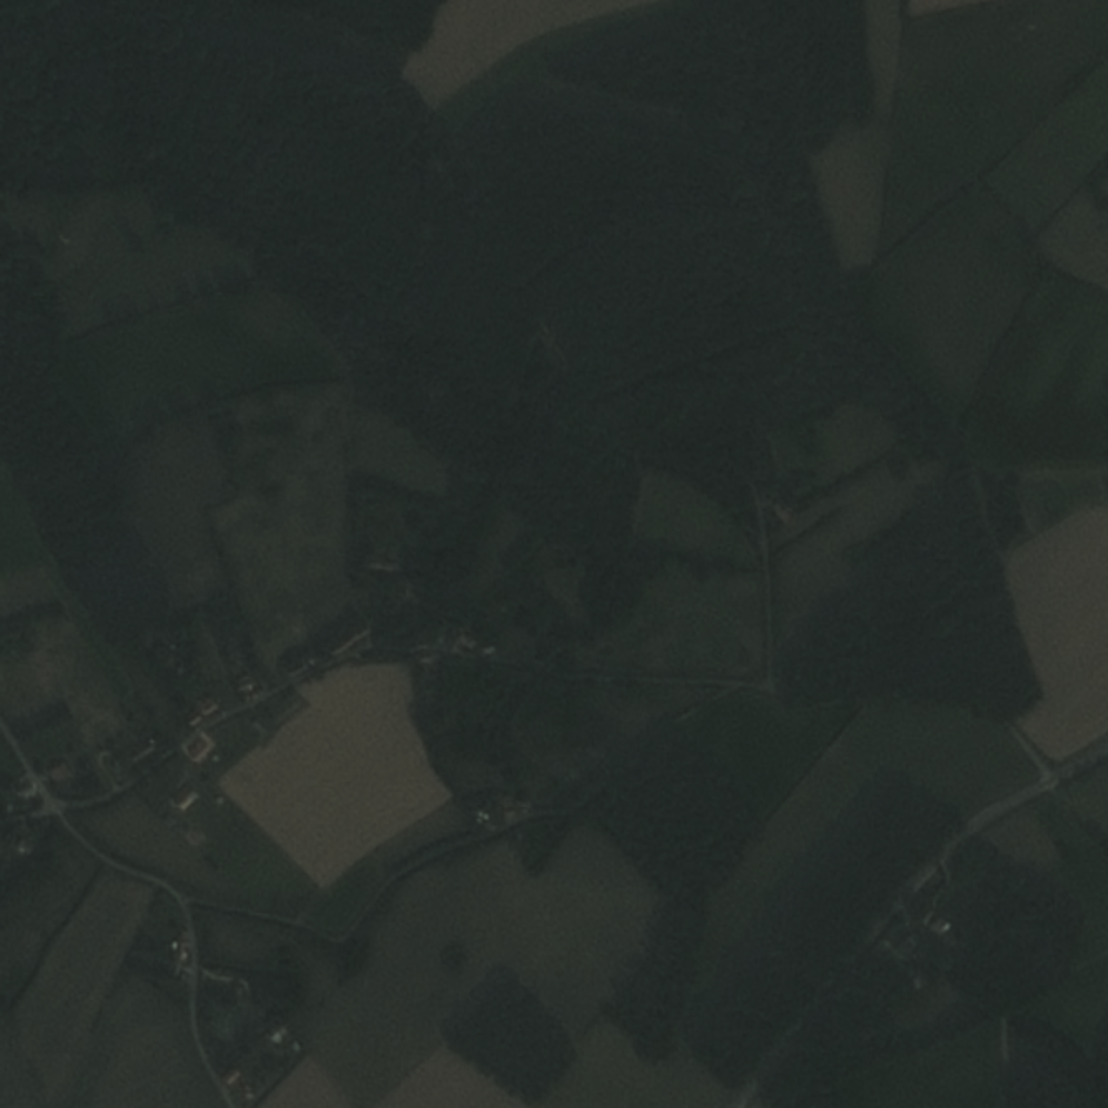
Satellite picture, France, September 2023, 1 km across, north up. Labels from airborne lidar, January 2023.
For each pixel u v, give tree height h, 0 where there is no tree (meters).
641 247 25
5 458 7
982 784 0
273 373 0
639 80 23
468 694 0
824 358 16
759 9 33
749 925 0
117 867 0
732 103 27
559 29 0
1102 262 0
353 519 8
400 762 0
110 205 0
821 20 14
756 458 21
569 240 15
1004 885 15
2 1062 0
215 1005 10
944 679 18
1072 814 0
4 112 10
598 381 15
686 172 15
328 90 18
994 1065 0
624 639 0
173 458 0
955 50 0
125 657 0
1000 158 0
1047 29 0
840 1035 25
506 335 20
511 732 10
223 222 22
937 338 0
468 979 0
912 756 0
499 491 8
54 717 16
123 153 27
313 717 0
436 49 0
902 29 0
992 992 21
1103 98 0
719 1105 0
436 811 0
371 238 23
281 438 0
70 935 0
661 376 20
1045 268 8
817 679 19
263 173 24
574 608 0
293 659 7
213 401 17
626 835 19
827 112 20
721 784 21
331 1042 0
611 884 0
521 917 0
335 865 0
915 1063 0
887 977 23
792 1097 12
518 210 22
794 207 19
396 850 0
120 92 26
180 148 28
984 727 0
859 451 0
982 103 0
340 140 21
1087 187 0
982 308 0
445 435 14
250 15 17
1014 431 0
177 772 0
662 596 0
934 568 26
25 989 0
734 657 0
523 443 19
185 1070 0
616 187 16
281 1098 0
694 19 16
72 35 19
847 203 0
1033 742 0
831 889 25
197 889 0
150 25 37
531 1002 17
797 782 0
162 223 14
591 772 21
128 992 0
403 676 0
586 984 0
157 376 0
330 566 0
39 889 0
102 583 27
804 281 9
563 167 27
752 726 0
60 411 20
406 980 0
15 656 0
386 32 19
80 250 0
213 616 8
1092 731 0
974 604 19
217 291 12
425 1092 0
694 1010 0
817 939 25
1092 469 0
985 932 24
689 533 0
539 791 0
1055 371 0
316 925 0
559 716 0
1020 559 0
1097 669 0
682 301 22
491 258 20
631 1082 0
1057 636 0
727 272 33
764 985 25
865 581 20
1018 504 7
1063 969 17
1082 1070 20
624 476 21
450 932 0
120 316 17
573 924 0
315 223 25
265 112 25
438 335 20
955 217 0
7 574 0
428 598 16
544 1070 22
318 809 0
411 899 0
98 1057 0
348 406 0
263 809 0
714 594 0
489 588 0
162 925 0
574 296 19
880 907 21
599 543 21
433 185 19
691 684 0
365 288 28
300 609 0
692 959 22
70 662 0
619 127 22
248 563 0
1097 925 0
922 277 0
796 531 0
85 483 26
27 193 14
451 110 0
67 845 0
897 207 0
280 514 0
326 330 19
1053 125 0
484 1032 21
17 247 21
